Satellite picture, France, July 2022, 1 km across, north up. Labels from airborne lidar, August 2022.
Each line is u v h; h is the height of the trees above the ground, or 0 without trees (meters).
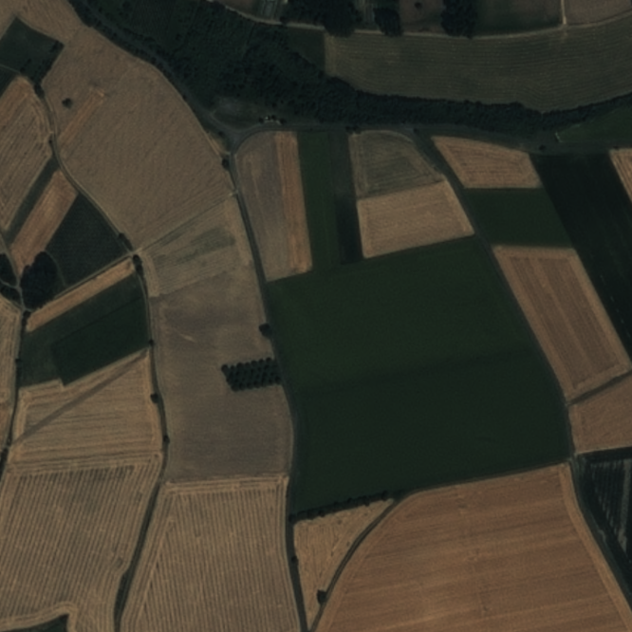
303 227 0
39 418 0
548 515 0
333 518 0
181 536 0
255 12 0
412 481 0
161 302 0
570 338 0
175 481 0
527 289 0
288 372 0
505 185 0
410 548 0
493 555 0
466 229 0
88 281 0
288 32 0
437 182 0
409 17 0
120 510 0
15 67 0
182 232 0
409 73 0
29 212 0
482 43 0
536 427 0
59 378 0
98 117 0
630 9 0
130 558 0
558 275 0
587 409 0
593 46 0
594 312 0
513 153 0
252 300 0
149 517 0
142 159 0
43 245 0
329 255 0
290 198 0
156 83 0
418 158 0
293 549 0
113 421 0
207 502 0
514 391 0
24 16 0
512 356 0
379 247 0
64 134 0
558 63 0
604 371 0
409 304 0
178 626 0
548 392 0
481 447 0
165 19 0
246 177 0
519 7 0
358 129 10
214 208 0
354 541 0
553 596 0
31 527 0
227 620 0
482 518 0
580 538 0
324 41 0
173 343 0
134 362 0
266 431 0
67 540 0
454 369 0
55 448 0
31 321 0
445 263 0
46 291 11
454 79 0
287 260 0
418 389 0
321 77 13
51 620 0
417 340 0
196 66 6
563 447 0
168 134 0
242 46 6
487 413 0
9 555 0
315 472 0
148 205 0
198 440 0
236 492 0
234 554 0
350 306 0
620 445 0
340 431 0
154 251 0
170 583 0
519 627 0
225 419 0
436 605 0
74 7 11
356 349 0
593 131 0
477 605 0
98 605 0
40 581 0
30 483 0
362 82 0
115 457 0
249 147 0
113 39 7
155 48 8
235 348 0
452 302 0
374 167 0
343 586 0
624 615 0
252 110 0
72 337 0
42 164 0
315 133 0
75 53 0
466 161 0
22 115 0
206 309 0
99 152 0
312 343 0
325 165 0
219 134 10
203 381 0
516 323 0
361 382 0
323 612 0
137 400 0
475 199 0
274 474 0
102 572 0
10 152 0
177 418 0
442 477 0
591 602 0
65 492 0
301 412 0
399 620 0
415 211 0
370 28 0
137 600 0
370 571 0
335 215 0
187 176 0
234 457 0
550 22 0
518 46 0
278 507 0
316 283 0
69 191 0
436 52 0
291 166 0
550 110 0
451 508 0
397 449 0
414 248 0
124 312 0
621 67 0
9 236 0
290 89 12
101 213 0
